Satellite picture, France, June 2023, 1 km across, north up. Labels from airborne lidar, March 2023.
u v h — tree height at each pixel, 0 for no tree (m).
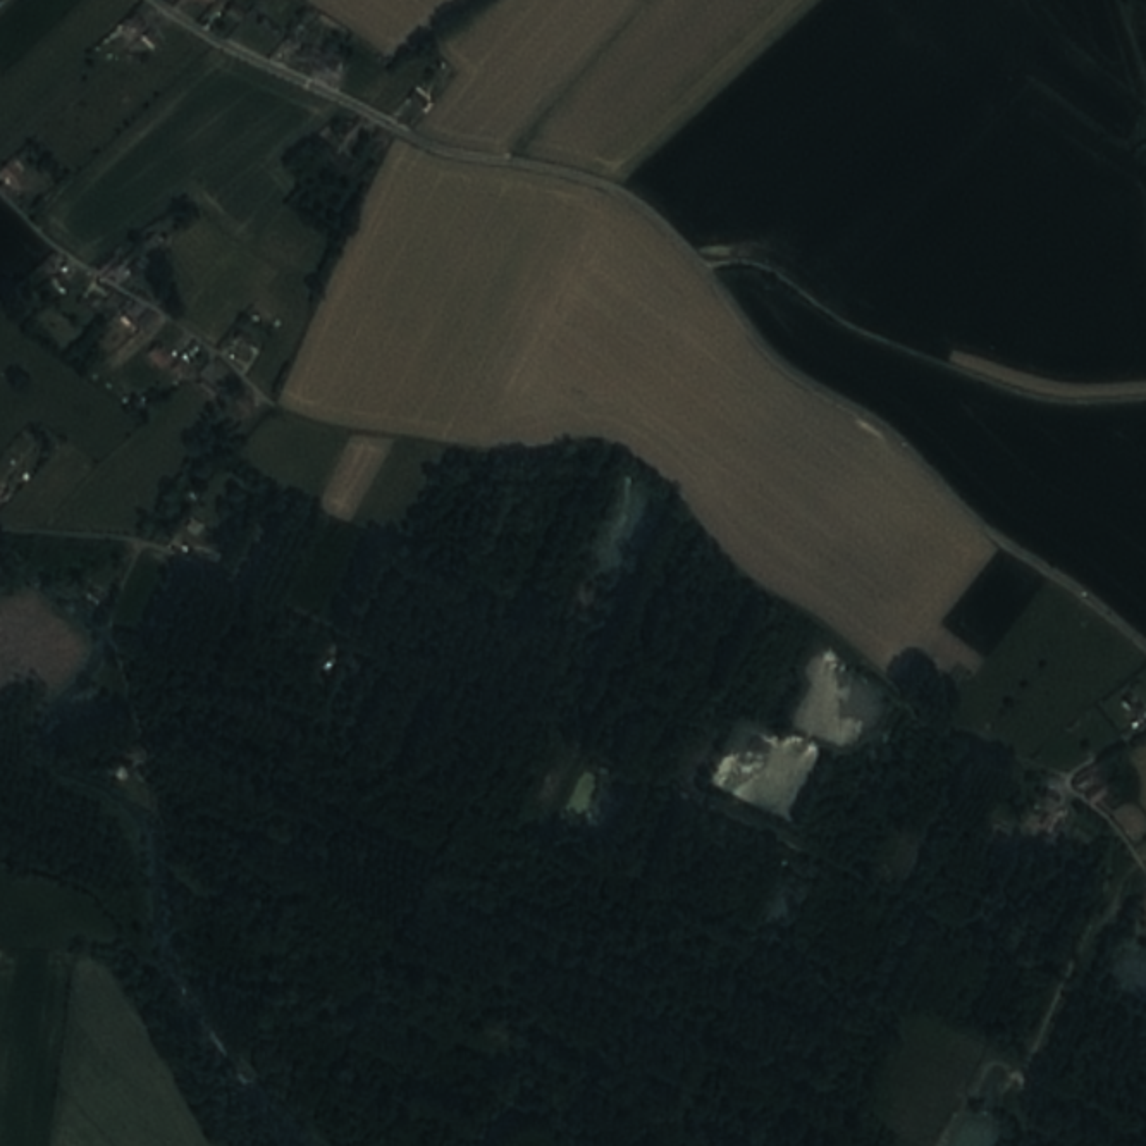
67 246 0
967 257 0
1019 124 0
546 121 0
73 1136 0
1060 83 0
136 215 0
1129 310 0
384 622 37
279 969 17
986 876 10
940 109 0
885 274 0
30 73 0
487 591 29
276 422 0
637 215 0
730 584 15
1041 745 0
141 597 0
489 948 31
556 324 0
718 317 0
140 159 0
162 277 25
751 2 0
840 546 0
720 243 0
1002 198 0
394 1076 7
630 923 9
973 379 0
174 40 0
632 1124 31
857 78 0
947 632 0
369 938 10
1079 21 0
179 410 0
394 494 0
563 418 0
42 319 0
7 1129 0
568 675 17
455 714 35
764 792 0
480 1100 8
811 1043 31
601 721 11
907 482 0
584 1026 35
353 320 0
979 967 19
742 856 20
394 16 0
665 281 0
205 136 0
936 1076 0
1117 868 0
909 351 0
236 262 0
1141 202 0
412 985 21
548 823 0
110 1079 0
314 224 9
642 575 36
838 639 0
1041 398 0
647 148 0
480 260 0
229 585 35
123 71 0
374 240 0
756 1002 31
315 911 15
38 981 0
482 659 36
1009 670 0
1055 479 0
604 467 13
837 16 0
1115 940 19
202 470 15
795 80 0
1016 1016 19
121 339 0
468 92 0
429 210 0
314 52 0
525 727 10
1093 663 0
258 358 0
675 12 0
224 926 10
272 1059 21
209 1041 18
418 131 0
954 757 17
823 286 0
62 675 0
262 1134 16
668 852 33
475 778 30
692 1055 34
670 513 32
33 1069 0
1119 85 0
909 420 0
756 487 0
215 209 0
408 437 0
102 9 0
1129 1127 12
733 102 0
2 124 0
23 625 0
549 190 0
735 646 32
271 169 0
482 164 0
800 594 0
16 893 0
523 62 0
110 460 0
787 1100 12
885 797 15
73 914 0
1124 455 0
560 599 17
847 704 0
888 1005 9
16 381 18
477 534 19
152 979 17
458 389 0
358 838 19
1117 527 0
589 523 11
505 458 19
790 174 0
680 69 0
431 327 0
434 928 35
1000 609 0
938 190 0
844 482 0
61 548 0
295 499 20
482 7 12
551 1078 23
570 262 0
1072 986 7
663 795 9
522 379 0
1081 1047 15
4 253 0
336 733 9
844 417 0
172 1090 0
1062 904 18
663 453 0
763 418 0
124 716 30
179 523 13
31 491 0
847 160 0
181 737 13
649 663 16
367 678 13
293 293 0
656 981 19
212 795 14
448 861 15
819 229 0
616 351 0
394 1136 8
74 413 0
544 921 24
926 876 13
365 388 0
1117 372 0
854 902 12
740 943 32
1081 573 0
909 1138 0
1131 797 0
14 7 0
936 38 0
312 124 0
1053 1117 30
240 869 8
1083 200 0
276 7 0
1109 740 0
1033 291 0
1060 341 0
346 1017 26
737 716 14
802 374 0
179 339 0
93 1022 0
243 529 21
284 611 18
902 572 0
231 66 0
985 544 0
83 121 0
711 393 0
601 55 0
